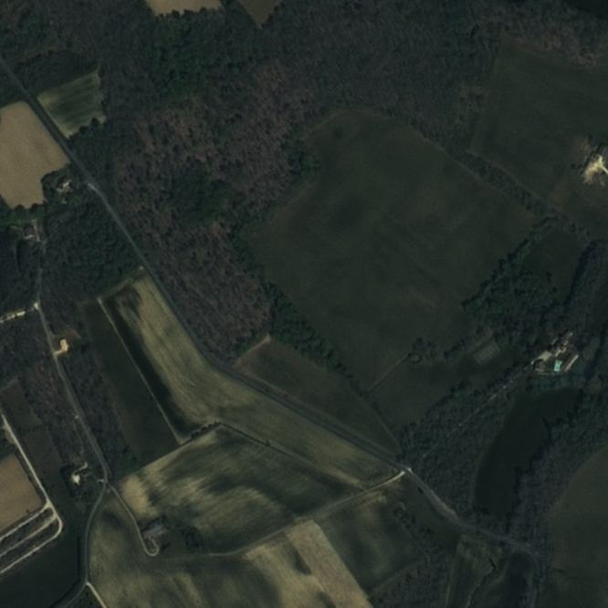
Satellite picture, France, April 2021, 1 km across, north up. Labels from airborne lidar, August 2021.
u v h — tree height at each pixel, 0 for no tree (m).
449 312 0
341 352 0
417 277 0
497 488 0
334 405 0
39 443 0
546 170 0
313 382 0
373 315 0
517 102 0
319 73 18
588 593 0
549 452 12
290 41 18
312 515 0
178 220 19
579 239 13
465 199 0
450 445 17
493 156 0
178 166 15
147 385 0
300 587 0
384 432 0
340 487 0
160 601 0
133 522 0
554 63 0
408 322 0
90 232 16
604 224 0
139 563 0
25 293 8
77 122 0
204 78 27
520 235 0
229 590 0
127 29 15
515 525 23
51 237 17
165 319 0
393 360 0
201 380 0
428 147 0
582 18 23
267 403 0
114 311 0
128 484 0
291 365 0
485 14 17
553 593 0
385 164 0
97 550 0
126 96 17
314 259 0
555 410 0
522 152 0
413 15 18
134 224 21
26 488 0
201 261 14
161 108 19
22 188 0
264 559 0
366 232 0
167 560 0
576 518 0
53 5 16
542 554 21
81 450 17
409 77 18
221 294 11
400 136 0
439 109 19
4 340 16
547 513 15
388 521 0
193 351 0
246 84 11
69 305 19
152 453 0
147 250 18
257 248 0
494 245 0
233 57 21
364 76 19
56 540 7
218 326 16
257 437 0
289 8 15
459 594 0
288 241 0
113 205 18
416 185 0
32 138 0
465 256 0
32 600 0
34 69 16
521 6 17
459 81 16
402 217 0
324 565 0
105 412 14
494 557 0
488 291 19
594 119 0
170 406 0
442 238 0
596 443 13
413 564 0
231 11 19
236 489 0
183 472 0
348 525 0
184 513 0
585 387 19
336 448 0
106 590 0
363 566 0
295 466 0
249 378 0
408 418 0
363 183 0
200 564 0
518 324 23
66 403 18
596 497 0
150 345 0
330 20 14
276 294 22
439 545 9
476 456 14
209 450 0
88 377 12
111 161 18
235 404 0
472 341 15
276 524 0
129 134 20
